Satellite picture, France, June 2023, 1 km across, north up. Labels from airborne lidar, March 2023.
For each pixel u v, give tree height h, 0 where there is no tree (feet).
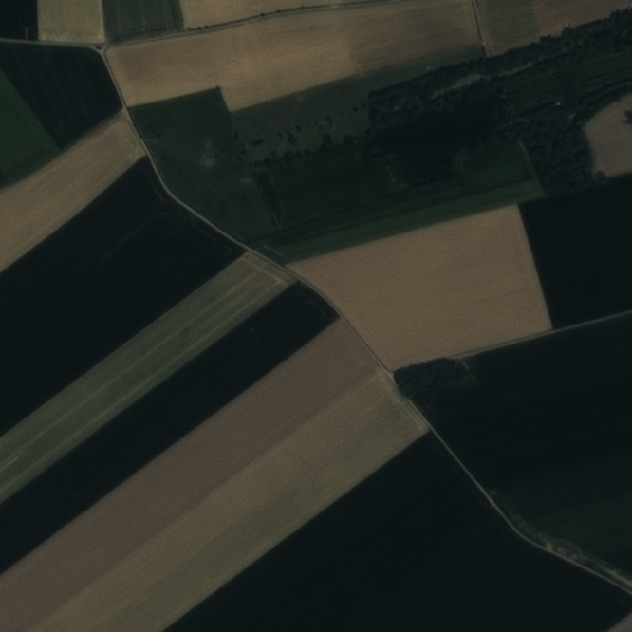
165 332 0
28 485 0
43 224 0
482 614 0
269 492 0
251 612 0
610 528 0
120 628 0
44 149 0
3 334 0
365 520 0
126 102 0
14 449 0
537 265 0
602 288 0
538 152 43
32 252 0
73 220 0
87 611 0
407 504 0
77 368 0
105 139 0
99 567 0
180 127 0
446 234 0
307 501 0
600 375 0
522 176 0
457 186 0
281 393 0
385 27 0
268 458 0
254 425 0
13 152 0
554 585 0
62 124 0
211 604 0
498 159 0
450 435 0
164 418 0
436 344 0
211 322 0
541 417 0
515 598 0
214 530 0
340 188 0
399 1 0
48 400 0
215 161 0
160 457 0
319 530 0
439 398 0
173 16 0
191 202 0
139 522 0
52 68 0
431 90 54
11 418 0
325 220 0
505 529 0
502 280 0
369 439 0
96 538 0
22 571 0
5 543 0
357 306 0
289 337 0
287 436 0
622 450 0
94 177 0
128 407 0
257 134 0
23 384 0
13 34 0
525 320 0
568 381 0
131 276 0
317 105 0
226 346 0
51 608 0
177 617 0
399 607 0
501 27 0
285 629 0
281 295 0
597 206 0
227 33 0
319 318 0
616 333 0
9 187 0
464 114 0
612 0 0
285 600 0
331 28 0
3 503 0
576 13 0
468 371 0
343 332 0
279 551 0
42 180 0
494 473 0
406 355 0
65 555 0
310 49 0
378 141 0
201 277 0
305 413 0
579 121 35
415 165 0
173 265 0
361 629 0
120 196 0
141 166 0
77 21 0
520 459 0
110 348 0
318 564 0
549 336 0
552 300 0
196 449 0
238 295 0
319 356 0
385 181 0
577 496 0
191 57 0
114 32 0
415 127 0
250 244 0
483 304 0
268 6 0
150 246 0
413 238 0
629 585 0
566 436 0
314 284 0
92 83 0
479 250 0
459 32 0
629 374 0
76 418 0
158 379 0
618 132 0
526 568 0
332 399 0
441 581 0
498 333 0
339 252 0
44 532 0
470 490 0
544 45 44
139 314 0
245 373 0
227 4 0
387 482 0
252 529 0
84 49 0
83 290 0
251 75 0
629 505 0
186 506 0
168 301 0
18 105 0
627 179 0
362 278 0
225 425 0
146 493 0
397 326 0
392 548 0
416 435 0
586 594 0
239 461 0
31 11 0
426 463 0
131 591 0
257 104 0
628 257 0
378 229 0
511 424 0
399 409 0
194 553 0
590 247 0
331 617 0
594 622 0
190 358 0
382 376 0
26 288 0
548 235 0
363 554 0
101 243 0
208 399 0
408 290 0
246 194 0
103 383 0
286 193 0
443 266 0
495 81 41
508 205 0
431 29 0
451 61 0
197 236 0
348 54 0
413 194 0
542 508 0
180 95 0
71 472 0
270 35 0
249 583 0
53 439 0
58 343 0
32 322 0
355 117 0
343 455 0
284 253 0
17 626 0
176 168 0
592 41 22
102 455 0
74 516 0
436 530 0
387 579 0
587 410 0
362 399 0
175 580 0
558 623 0
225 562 0
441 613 0
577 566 0
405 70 0
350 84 0
